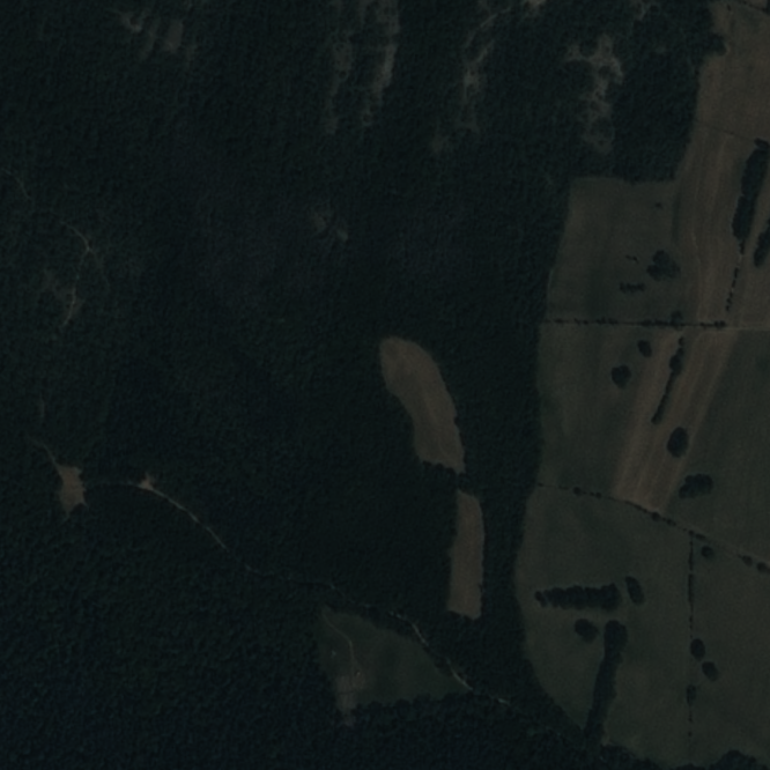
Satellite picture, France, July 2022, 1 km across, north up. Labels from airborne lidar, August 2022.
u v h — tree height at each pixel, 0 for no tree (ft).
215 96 55
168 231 38
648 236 0
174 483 30
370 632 0
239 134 52
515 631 47
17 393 41
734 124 0
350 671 0
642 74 43
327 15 22
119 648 44
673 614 0
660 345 0
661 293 0
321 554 50
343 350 44
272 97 33
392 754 59
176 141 40
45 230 27
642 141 36
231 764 69
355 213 37
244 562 31
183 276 35
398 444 40
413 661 0
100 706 49
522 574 0
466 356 31
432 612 47
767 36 0
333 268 34
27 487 45
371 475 43
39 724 59
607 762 68
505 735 62
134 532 51
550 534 0
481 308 31
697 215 0
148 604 50
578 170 47
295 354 21
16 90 51
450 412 0
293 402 50
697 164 0
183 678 55
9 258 55
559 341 0
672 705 0
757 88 0
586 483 0
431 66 35
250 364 50
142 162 52
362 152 35
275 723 50
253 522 53
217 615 67
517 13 24
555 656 0
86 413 49
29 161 33
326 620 0
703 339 0
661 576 0
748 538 0
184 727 51
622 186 0
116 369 29
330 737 40
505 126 32
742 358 0
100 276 25
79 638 51
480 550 0
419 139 52
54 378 41
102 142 51
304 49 34
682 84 54
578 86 27
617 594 65
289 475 35
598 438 0
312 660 54
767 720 0
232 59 42
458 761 72
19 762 58
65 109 60
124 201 33
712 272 0
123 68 35
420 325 32
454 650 52
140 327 28
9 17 59
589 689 0
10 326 38
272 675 49
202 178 38
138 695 52
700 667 0
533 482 47
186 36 23
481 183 38
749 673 0
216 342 41
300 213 37
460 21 44
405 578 42
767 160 36
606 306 0
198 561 62
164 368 35
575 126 26
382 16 0
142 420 46
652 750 0
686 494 28
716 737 0
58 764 72
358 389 46
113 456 43
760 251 18
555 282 0
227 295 47
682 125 49
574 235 0
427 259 41
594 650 0
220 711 62
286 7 46
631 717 0
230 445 30
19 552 22
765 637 0
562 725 58
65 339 33
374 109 21
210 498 52
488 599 45
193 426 29
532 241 36
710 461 0
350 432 40
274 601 55
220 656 48
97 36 28
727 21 0
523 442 38
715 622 0
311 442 36
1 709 58
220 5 31
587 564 0
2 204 28
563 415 0
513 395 43
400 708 50
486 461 46
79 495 0
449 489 47
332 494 37
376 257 48
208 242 43
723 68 0
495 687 60
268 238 42
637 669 0
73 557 65
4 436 47
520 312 31
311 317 34
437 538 42
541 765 42
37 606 52
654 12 33
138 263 25
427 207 38
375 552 48
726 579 0
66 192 37
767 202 0
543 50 44
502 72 45
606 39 0
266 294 31
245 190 41
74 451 54
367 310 41
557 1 24
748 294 0
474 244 35
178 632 41
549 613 0
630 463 0
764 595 0
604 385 0
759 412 0
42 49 19
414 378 0
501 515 42
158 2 26
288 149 53
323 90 31
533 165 36
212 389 31
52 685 64
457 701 62
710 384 0
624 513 0
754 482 0
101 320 37
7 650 55
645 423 0
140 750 71
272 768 52
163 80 33
